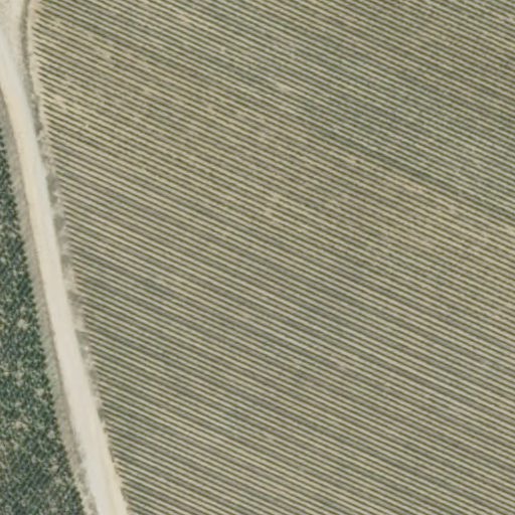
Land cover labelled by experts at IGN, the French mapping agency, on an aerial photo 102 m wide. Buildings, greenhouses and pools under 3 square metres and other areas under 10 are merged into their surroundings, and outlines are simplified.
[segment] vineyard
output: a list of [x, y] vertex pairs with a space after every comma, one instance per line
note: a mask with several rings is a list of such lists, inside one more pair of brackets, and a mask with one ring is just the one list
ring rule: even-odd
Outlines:
[[8, 115], [8, 105], [4, 101], [4, 93], [0, 87], [0, 515], [99, 515], [95, 497], [89, 491], [78, 439], [70, 418], [70, 406], [64, 390], [60, 358], [56, 352], [52, 320], [46, 304], [38, 251], [32, 235], [30, 203], [24, 189], [18, 145]]
[[72, 312], [72, 328], [78, 340], [82, 366], [89, 370], [91, 390], [101, 400], [99, 418], [103, 420], [103, 431], [109, 439], [109, 453], [115, 463], [115, 471], [121, 477], [121, 495], [127, 501], [127, 509], [131, 515], [515, 515], [515, 0], [18, 0], [22, 4], [20, 76], [32, 113], [38, 155], [46, 171], [48, 201], [54, 215], [54, 235], [60, 255], [62, 280], [66, 286], [66, 298], [70, 302]]

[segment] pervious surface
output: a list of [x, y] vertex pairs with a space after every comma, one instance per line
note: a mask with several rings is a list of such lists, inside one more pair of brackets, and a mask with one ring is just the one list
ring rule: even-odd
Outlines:
[[18, 0], [0, 0], [0, 87], [4, 93], [4, 101], [8, 105], [8, 115], [18, 145], [24, 189], [30, 203], [32, 235], [38, 251], [46, 304], [52, 320], [56, 352], [60, 358], [64, 390], [70, 406], [70, 418], [78, 439], [89, 491], [95, 497], [99, 515], [131, 515], [127, 509], [127, 501], [121, 495], [121, 477], [115, 471], [115, 463], [109, 453], [109, 439], [103, 431], [103, 420], [99, 418], [101, 400], [91, 390], [89, 370], [82, 366], [78, 340], [72, 328], [72, 312], [70, 302], [66, 298], [66, 286], [62, 280], [60, 255], [54, 235], [54, 215], [48, 201], [46, 171], [38, 155], [32, 113], [20, 76], [22, 4]]

